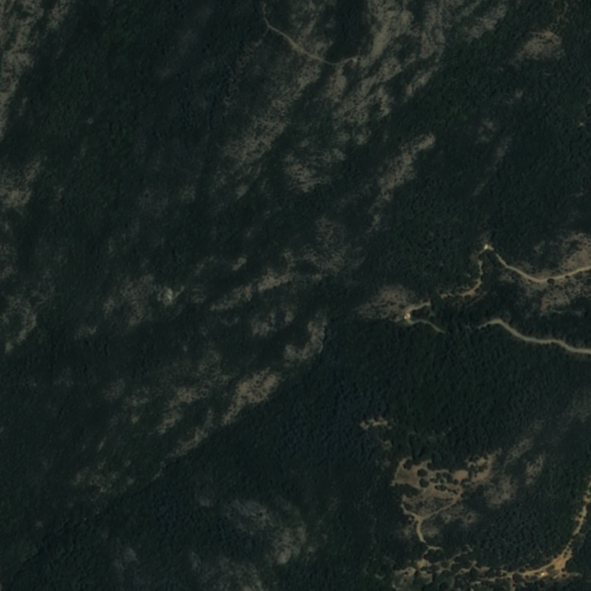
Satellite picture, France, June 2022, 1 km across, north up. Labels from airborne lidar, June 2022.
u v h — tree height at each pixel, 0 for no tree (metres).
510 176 10
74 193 14
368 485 9
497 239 12
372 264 6
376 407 14
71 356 6
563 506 8
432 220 14
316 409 9
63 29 6
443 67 7
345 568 13
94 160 12
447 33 9
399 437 13
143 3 12
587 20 10
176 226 8
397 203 10
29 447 7
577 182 8
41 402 5
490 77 8
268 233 7
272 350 5
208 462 8
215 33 10
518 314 11
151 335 7
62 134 12
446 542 6
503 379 9
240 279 7
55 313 6
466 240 6
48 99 6
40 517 7
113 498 6
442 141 11
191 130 7
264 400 6
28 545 7
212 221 6
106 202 9
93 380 13
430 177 9
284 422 6
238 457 8
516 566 11
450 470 10
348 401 19
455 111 12
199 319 5
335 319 11
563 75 6
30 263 7
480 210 9
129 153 13
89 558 12
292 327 6
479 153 6
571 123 13
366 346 12
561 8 12
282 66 0
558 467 7
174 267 7
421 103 8
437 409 14
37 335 8
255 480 8
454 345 14
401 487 10
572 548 8
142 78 7
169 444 8
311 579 17
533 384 11
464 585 7
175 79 6
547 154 6
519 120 6
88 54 14
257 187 11
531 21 8
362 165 6
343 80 0
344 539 8
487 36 14
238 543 15
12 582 10
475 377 11
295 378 9
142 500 10
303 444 14
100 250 14
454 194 8
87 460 6
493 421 6
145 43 5
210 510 9
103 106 6
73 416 5
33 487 7
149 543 6
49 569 14
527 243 6
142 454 7
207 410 10
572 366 9
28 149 8
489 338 10
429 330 13
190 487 8
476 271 12
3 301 6
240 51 6
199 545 7
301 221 15
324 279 7
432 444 13
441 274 7
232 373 7
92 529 12
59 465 6
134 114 7
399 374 11
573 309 6
